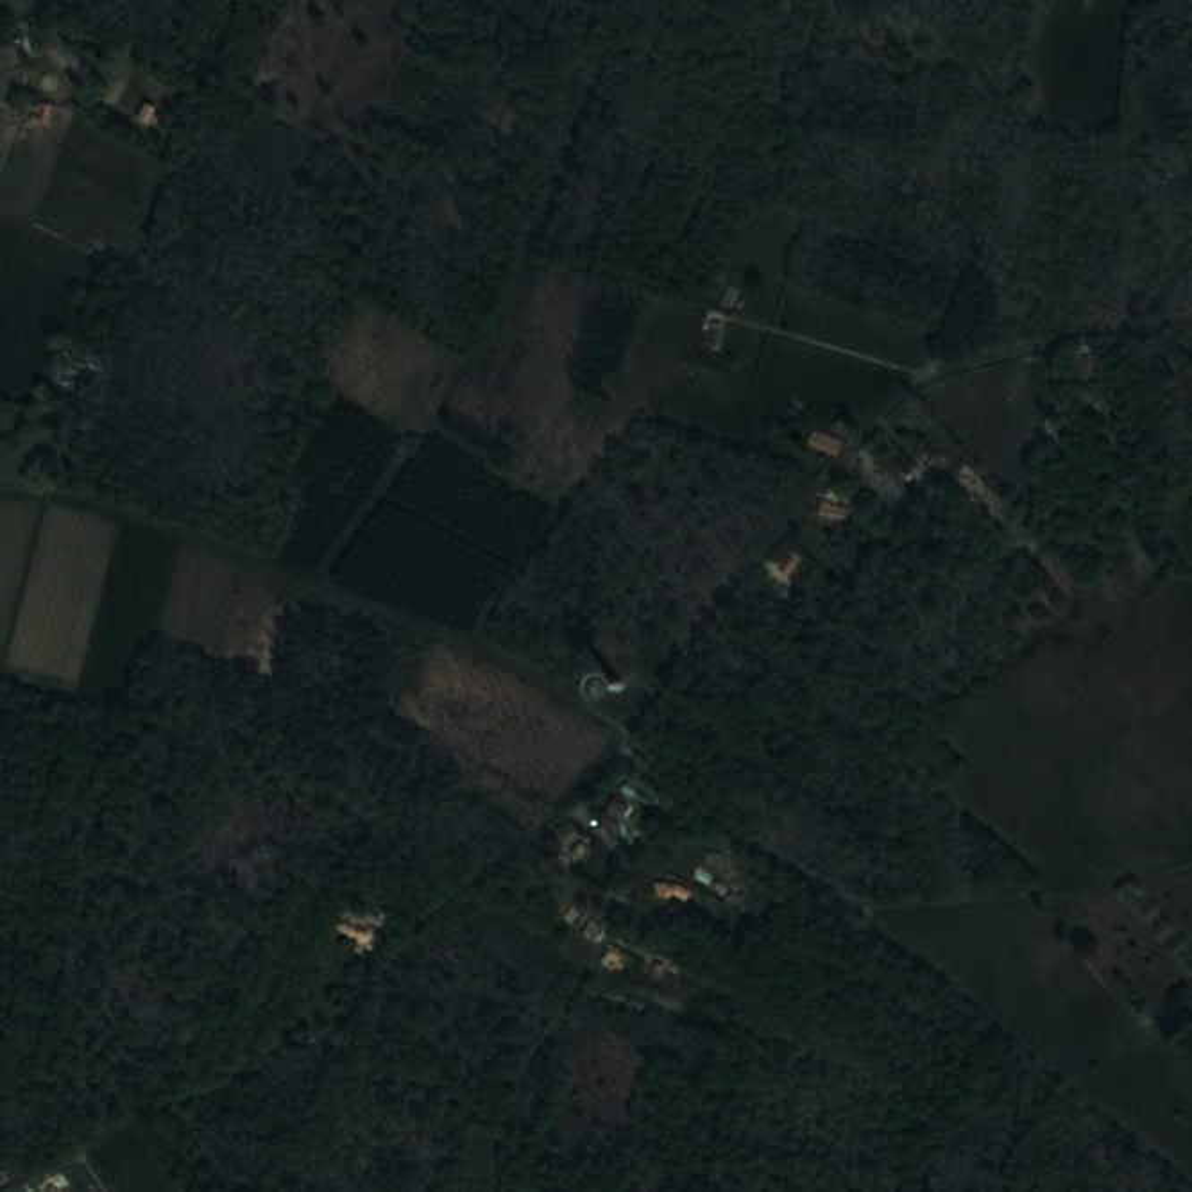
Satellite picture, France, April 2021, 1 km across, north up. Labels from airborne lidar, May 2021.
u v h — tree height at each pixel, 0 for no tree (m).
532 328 20
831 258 17
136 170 0
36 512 0
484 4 16
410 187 17
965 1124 22
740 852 13
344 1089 20
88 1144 17
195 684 18
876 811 22
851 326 0
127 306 16
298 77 0
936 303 18
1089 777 0
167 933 10
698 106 23
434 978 14
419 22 11
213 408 18
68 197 0
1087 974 0
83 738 25
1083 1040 0
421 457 7
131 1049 21
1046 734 0
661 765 15
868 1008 14
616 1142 12
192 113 19
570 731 12
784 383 0
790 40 18
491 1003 13
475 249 21
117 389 20
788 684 26
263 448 17
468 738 12
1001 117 17
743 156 20
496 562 10
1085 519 22
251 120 18
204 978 21
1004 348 16
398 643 17
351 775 16
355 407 7
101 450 22
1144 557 0
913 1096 14
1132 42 13
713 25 22
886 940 17
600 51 18
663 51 22
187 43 17
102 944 15
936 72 13
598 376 16
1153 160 13
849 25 15
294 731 20
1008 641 16
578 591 18
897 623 20
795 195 20
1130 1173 16
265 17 19
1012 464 0
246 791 18
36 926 21
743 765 17
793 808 23
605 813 20
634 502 12
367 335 8
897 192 19
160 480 14
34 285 0
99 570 0
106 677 0
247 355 18
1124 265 16
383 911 9
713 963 21
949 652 11
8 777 18
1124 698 0
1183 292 15
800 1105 10
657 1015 17
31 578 0
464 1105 11
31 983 22
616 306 18
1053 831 0
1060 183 16
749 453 14
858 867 9
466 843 17
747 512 13
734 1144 20
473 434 17
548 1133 15
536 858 20
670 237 13
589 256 23
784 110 13
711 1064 16
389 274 21
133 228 0
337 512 7
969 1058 17
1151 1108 0
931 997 20
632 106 21
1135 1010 14
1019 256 19
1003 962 0
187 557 0
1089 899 0
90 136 0
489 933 14
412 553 9
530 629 21
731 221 21
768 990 23
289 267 21
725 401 0
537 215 11
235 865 14
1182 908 0
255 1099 18
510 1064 17
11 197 0
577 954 0
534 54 14
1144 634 0
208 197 23
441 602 10
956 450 12
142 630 0
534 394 20
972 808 0
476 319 23
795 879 16
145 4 21
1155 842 0
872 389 0
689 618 17
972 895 20
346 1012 9
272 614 7
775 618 24
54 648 0
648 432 14
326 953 10
